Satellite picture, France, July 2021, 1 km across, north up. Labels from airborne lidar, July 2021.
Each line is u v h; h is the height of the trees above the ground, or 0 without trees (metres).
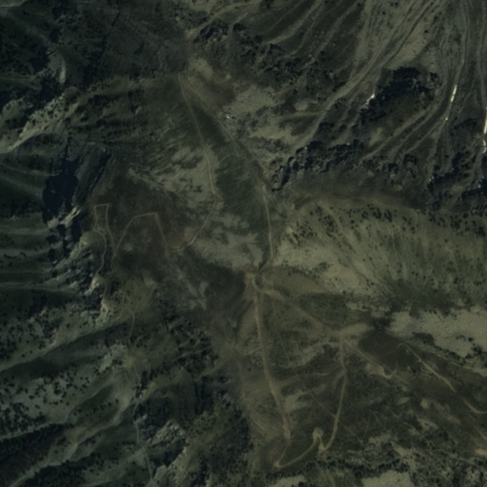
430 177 0
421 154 0
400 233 0
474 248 0
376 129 0
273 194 0
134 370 0
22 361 0
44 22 0
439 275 0
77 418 0
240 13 0
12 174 0
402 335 0
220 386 0
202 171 0
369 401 0
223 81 0
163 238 0
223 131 0
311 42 0
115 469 0
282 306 0
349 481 0
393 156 0
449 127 0
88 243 0
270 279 0
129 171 0
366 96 0
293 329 0
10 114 0
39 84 0
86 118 6
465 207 0
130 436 0
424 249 0
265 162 0
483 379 0
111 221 0
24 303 0
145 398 0
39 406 6
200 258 0
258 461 0
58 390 10
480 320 0
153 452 0
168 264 0
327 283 0
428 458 0
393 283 0
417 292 0
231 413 0
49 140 9
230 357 0
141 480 0
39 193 0
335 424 0
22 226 0
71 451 0
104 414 0
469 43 0
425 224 0
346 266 0
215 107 0
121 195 0
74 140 0
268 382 0
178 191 0
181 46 0
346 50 0
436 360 0
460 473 0
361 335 0
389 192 0
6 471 18
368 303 0
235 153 0
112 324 0
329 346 0
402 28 0
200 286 0
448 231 0
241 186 0
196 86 0
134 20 0
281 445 0
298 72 11
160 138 0
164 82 0
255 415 0
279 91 0
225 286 0
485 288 0
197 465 0
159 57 0
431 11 0
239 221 0
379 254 0
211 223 0
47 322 8
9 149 0
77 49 8
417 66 0
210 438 0
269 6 11
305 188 0
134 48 0
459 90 0
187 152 0
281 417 0
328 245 0
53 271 0
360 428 0
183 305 0
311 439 0
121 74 0
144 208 0
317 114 0
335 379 0
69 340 0
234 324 0
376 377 0
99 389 0
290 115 0
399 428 0
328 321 0
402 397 0
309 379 0
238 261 0
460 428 0
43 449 12
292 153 0
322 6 0
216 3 0
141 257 0
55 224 0
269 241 0
